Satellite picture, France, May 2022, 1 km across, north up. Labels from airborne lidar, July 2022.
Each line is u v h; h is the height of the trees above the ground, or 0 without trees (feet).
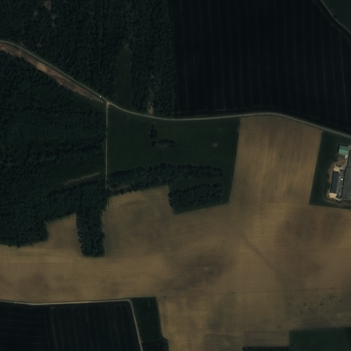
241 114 0
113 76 81
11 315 0
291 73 0
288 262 0
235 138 0
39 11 83
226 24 0
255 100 0
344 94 0
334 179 0
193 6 0
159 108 32
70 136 84
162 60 31
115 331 0
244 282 0
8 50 0
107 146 0
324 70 0
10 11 83
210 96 0
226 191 0
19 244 72
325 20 0
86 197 95
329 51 0
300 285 0
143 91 64
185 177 50
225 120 0
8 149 69
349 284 0
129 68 0
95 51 50
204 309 0
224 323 0
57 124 70
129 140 0
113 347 0
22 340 0
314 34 0
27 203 71
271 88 0
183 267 0
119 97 0
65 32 43
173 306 0
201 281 0
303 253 0
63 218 65
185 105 0
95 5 20
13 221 76
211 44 0
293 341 0
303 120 0
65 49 32
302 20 0
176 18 0
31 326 0
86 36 50
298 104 0
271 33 0
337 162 0
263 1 0
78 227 59
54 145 23
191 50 0
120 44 79
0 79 68
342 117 0
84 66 102
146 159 0
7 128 93
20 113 74
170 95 54
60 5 22
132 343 0
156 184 80
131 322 0
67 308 0
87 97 0
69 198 92
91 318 0
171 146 35
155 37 82
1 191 58
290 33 0
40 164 55
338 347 0
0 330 0
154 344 0
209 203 71
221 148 0
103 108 0
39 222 52
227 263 0
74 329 0
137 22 85
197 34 0
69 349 0
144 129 0
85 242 80
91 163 32
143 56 53
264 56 0
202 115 0
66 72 60
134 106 54
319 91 0
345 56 0
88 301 0
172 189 0
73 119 61
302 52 0
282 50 0
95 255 43
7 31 69
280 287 0
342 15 0
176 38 0
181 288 0
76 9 46
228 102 0
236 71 0
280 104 0
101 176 0
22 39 61
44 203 96
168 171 84
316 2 0
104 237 63
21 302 0
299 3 0
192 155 0
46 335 0
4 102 89
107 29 96
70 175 30
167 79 34
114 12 96
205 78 0
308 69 0
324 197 0
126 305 0
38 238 77
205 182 0
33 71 87
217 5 0
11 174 49
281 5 0
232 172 0
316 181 0
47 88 55
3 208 56
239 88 0
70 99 34
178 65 0
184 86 0
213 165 0
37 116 66
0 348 0
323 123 0
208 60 0
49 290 0
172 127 0
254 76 0
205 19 0
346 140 0
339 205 0
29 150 95
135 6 89
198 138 0
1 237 38
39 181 80
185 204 53
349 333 0
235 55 0
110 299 0
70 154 103
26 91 48
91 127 58
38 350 0
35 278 0
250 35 0
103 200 91
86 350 0
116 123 0
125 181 94
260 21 0
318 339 0
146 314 21
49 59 30
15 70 95
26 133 93
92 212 96
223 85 0
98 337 0
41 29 28
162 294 0
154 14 69
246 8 0
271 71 0
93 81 61
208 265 0
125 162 0
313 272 0
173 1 0
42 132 94
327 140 0
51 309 0
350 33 0
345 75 0
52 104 57
